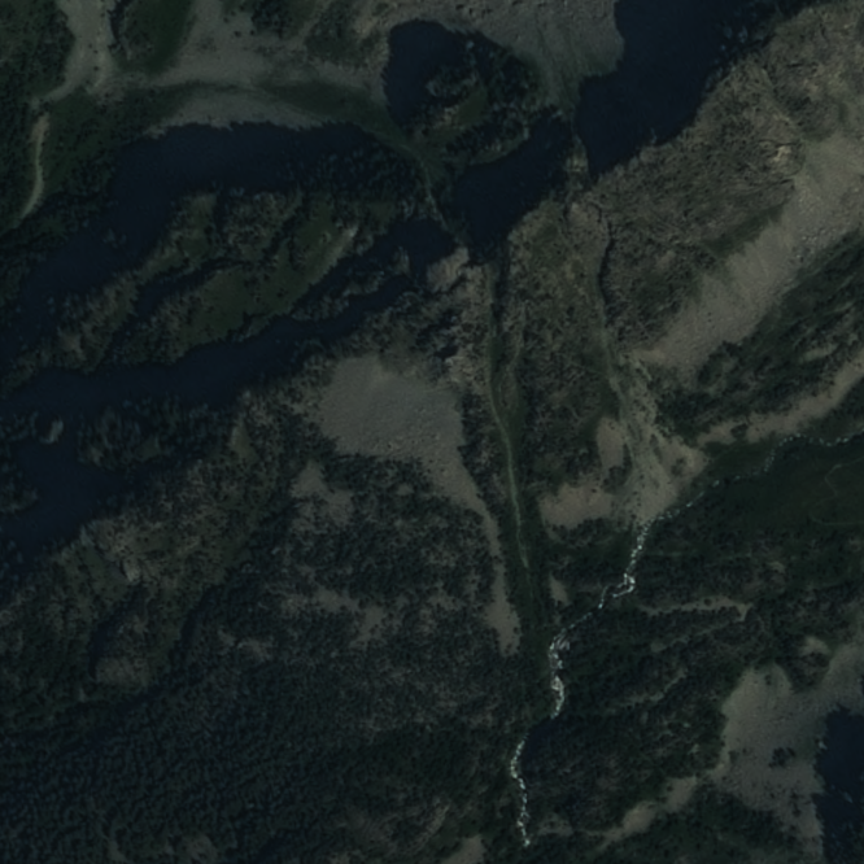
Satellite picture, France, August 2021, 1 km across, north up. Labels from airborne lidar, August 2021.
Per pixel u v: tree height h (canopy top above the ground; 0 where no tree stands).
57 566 7
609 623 10
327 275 0
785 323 0
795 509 0
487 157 0
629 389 0
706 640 9
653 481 0
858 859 27
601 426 0
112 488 15
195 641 14
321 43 0
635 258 7
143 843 7
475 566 7
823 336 8
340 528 6
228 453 7
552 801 9
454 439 0
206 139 0
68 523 8
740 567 7
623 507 0
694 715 6
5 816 17
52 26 8
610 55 0
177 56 0
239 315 0
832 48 0
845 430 0
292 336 12
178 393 8
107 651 9
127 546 8
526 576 0
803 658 7
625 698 8
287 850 12
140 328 9
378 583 7
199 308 8
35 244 10
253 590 6
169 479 11
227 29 0
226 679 8
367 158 9
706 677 8
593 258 0
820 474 0
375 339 8
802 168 0
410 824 8
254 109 0
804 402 0
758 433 0
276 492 11
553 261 0
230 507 5
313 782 9
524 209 7
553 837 13
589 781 7
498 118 10
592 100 0
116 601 8
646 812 0
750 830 7
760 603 11
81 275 7
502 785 10
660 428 0
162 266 0
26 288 0
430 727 11
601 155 0
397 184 8
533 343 7
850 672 0
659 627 10
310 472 0
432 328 7
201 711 9
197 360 6
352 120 0
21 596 7
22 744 12
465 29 0
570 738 11
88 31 0
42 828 11
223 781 19
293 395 6
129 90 0
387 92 0
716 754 7
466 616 12
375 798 7
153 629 17
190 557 8
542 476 7
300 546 11
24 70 10
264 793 6
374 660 6
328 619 7
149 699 12
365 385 0
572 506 0
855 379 0
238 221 8
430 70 8
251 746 20
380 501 8
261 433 8
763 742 0
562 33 0
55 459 10
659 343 0
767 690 0
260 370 31
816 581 0
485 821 8
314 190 9
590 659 13
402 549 8
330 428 0
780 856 0
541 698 11
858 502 0
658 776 7
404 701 8
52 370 12
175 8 0
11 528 0
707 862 0
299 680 9
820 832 0
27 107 10
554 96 0
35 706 15
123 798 31
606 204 11
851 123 0
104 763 30
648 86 0
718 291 0
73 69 0
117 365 9
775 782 0
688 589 9
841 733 0
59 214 16
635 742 13
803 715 0
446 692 6
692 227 6
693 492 0
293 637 10
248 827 18
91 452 9
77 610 6
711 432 0
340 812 15
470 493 0
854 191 0
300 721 11
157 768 29
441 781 6
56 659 10
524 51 0
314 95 0
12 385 14
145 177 11
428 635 8
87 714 16
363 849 11
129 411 14
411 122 10
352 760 7
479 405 11
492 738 13
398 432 0
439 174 0
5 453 19
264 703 12
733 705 0
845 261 0
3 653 10
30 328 11
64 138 11
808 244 0
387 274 9
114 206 14
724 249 0
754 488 0
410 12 0
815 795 0
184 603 14
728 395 6
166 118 0
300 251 5
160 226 9
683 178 0
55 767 15
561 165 9
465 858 0
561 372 9
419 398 0
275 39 0
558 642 0
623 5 0
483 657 9
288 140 9
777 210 0
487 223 11
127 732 20
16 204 8
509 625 0
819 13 0
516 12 0
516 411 0
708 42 7
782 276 0
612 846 8
